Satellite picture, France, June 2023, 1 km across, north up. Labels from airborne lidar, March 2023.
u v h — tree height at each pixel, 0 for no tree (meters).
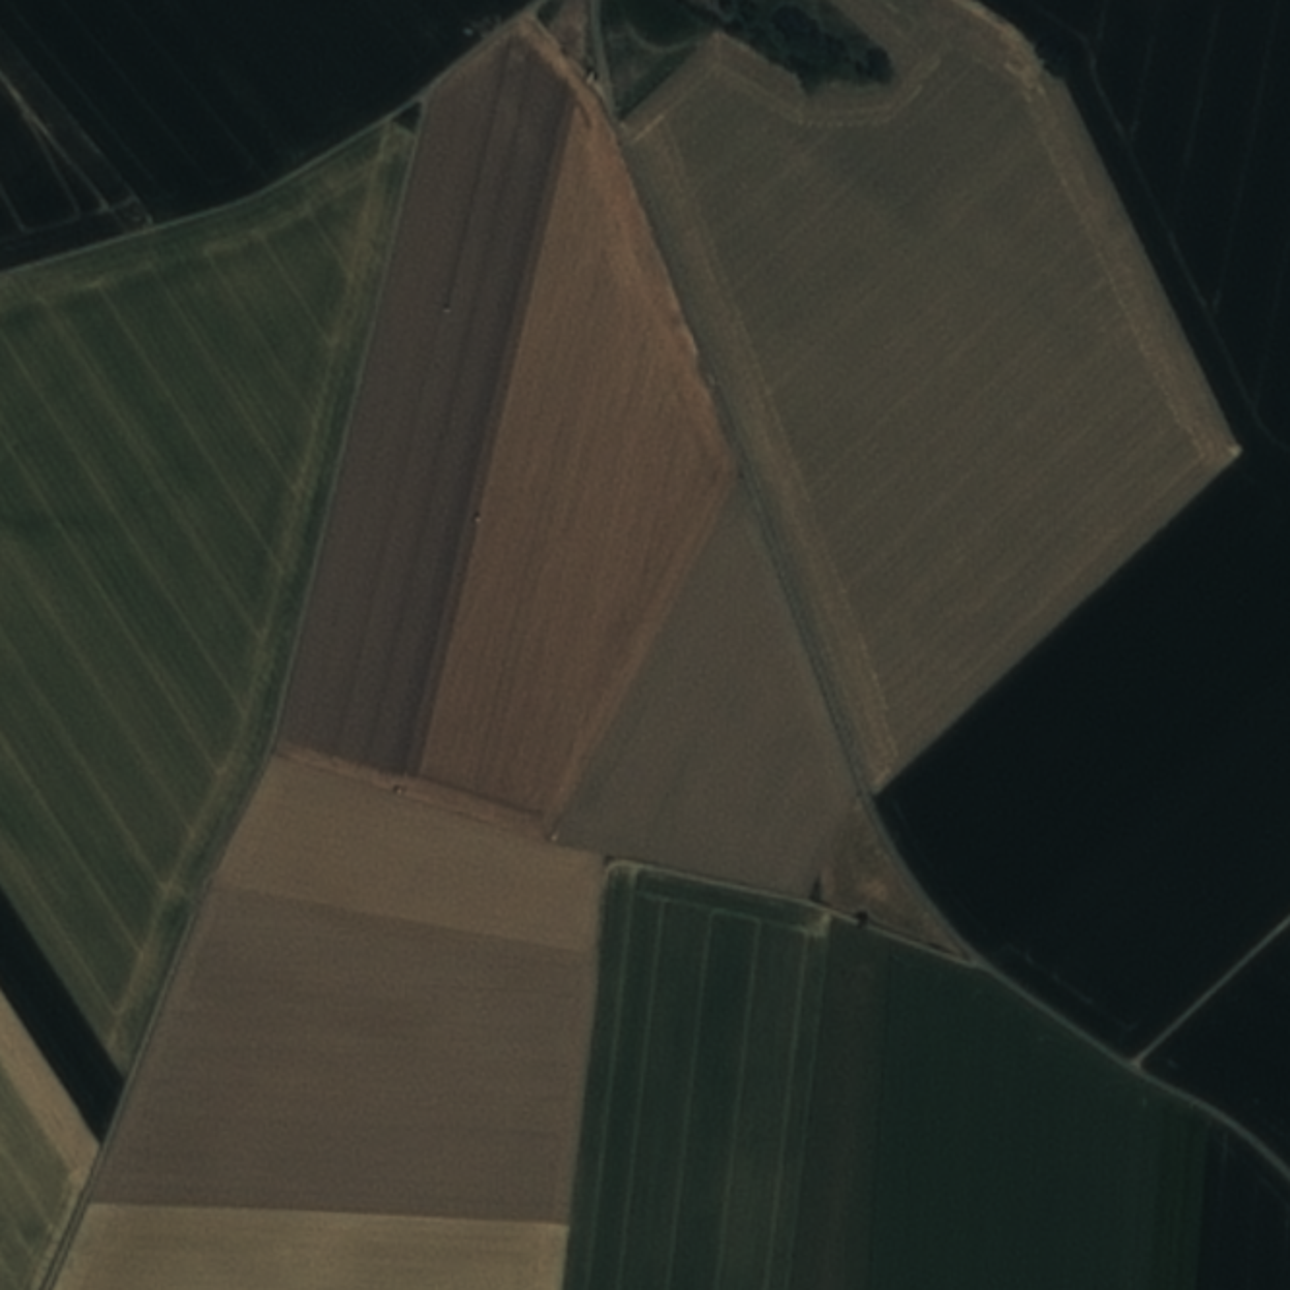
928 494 0
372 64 0
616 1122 0
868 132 0
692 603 0
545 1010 0
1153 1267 0
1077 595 0
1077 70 0
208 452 0
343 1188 0
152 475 0
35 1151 0
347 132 0
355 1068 0
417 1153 0
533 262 0
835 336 0
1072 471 0
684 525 0
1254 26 0
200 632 0
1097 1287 0
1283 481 0
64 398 0
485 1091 0
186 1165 0
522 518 0
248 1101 0
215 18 0
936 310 0
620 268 0
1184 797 0
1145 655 0
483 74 0
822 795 0
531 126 0
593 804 0
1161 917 0
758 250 0
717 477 0
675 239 0
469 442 0
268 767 0
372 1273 0
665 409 0
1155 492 0
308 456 0
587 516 0
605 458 0
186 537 0
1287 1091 0
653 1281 0
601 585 0
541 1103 0
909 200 0
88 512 0
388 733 0
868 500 0
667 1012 0
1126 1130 0
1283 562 0
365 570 0
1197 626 0
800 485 0
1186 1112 0
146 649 0
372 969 0
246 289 0
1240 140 0
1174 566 0
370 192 0
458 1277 0
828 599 0
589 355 0
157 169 0
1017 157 0
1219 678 0
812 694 0
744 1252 0
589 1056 0
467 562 0
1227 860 0
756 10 8
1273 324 0
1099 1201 0
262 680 0
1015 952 0
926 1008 0
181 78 0
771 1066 0
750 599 0
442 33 0
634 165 0
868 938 0
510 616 0
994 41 0
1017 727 0
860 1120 0
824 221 0
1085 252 0
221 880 0
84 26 0
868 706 0
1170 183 0
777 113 0
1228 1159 0
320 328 0
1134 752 0
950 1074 0
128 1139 0
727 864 0
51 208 0
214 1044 0
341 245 0
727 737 0
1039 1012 0
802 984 0
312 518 0
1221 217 0
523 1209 0
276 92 0
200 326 0
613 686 0
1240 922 0
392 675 0
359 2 0
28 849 0
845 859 0
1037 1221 0
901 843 0
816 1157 0
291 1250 0
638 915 0
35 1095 0
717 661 0
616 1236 0
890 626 0
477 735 0
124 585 0
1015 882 0
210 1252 0
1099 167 0
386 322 0
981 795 0
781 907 0
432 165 0
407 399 0
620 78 30
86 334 0
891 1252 0
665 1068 0
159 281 0
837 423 0
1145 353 0
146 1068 0
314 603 0
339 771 0
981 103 0
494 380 0
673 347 0
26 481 0
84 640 0
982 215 0
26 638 0
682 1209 0
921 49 0
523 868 0
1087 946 0
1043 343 0
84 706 0
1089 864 0
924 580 0
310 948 0
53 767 0
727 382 0
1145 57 0
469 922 0
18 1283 0
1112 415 0
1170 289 0
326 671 0
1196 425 0
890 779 0
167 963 0
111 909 0
